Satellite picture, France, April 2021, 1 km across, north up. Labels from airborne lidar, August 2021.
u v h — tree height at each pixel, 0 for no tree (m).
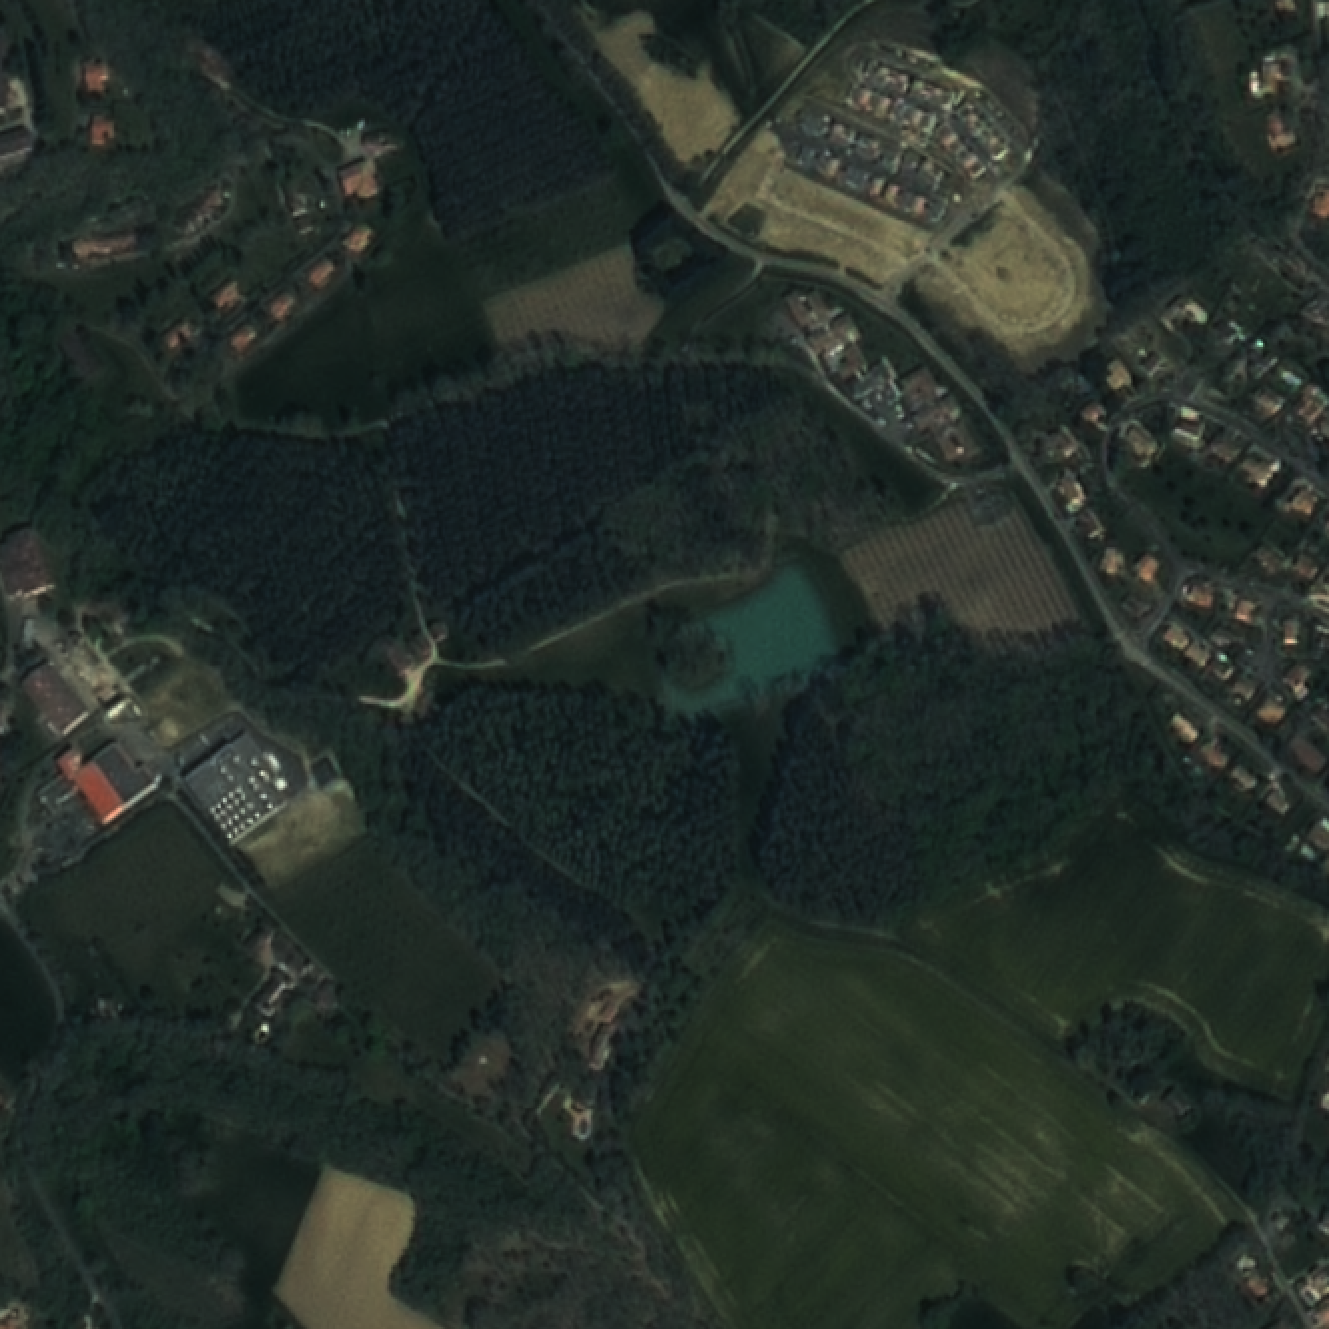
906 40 0
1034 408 22
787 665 0
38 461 18
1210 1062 0
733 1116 0
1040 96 14
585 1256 12
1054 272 0
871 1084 0
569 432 17
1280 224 14
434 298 0
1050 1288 0
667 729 25
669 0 0
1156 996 0
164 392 0
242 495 15
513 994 8
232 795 0
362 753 18
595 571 19
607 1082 16
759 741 0
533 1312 16
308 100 15
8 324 8
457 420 18
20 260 25
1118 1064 9
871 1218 0
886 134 0
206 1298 0
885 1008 0
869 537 17
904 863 23
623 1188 14
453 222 18
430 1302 17
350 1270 0
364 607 15
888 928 13
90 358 0
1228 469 7
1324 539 12
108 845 7
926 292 0
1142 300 20
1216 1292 19
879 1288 0
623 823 27
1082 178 6
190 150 14
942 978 0
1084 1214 0
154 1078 25
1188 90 20
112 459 8
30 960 0
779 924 0
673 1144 0
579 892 17
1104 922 0
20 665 11
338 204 0
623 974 14
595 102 0
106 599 11
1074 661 24
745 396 8
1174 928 0
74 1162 16
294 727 17
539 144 18
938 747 20
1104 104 11
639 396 16
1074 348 0
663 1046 7
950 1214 0
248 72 15
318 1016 7
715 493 26
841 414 0
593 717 21
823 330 0
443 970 0
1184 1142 0
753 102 0
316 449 13
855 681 20
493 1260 13
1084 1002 0
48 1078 16
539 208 14
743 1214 0
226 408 22
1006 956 0
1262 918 0
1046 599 13
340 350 0
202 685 0
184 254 0
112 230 18
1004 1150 0
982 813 28
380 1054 8
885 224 0
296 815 0
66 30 0
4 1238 0
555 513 18
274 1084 18
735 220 0
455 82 18
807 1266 0
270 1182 0
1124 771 20
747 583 0
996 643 11
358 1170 18
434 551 17
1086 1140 0
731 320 0
